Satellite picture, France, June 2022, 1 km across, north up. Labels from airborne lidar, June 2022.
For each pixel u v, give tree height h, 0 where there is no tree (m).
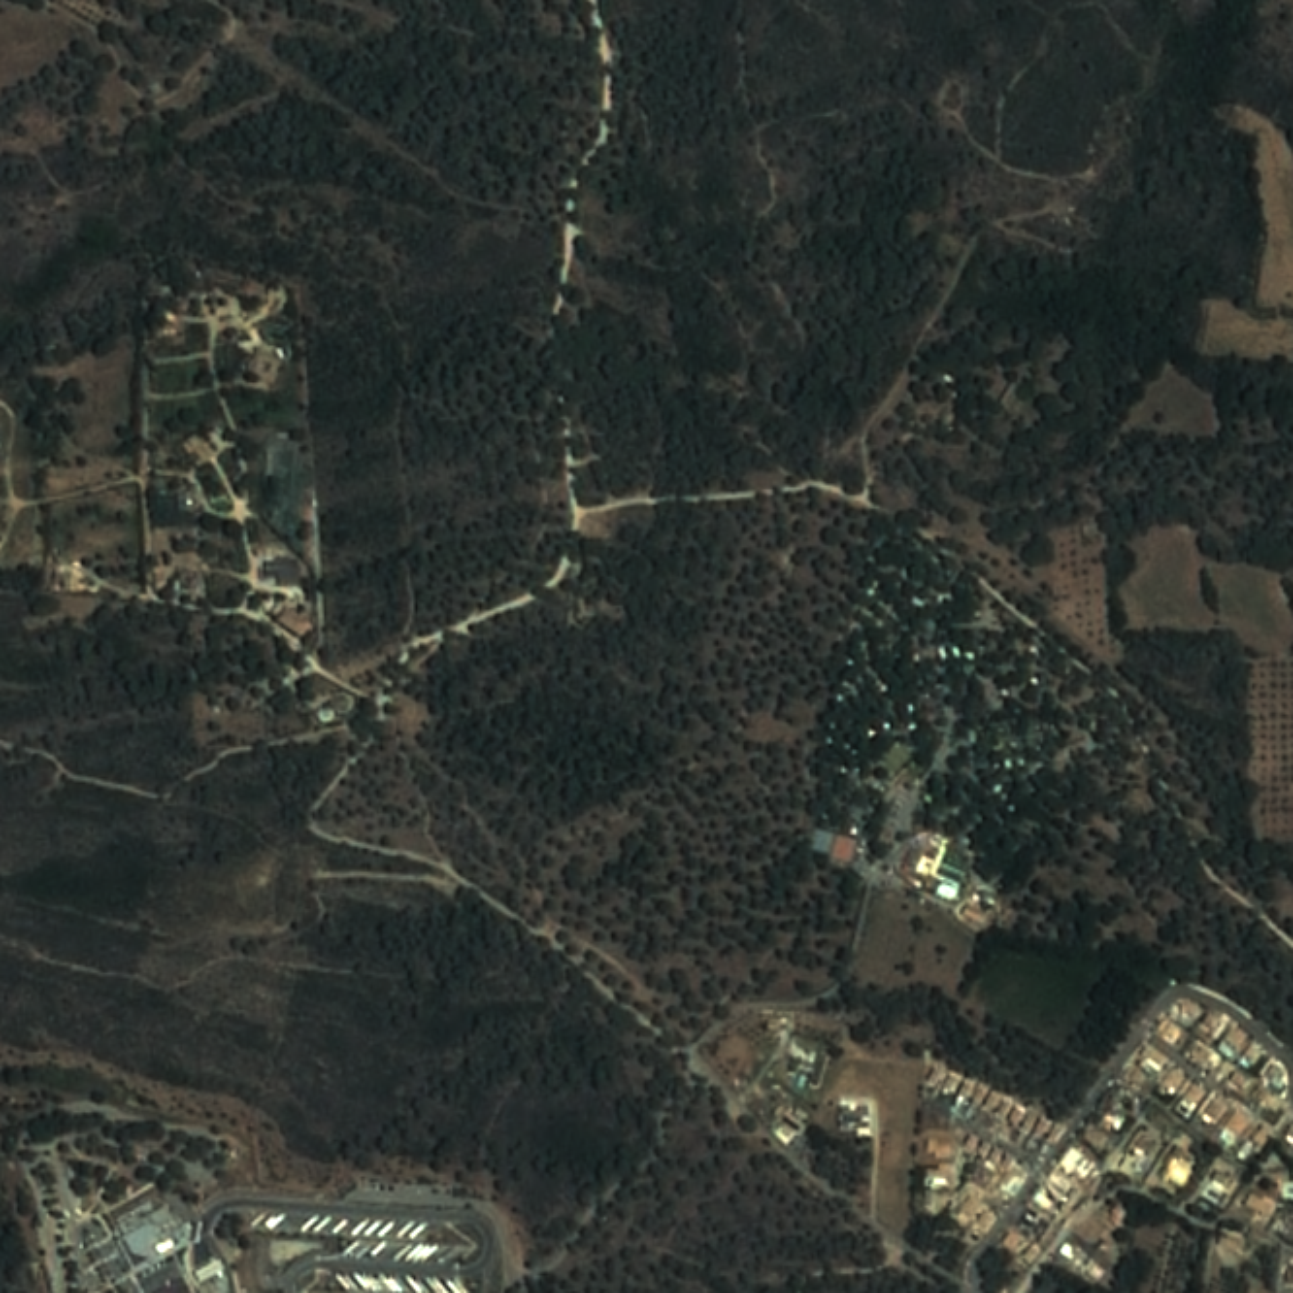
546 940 9
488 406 12
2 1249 11
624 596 10
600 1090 12
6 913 0
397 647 0
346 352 6
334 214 7
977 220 8
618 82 12
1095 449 13
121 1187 12
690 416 12
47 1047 0
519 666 14
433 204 9
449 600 8
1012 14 9
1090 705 10
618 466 8
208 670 12
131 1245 0
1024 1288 0
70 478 0
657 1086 10
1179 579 0
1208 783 11
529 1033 10
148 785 0
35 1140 10
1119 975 11
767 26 0
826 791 10
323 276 7
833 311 11
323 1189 0
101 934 0
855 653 11
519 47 10
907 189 12
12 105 10
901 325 11
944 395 13
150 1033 0
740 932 13
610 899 8
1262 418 14
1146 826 12
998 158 0
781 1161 9
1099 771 14
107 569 12
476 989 10
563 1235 11
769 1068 0
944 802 12
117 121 0
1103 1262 0
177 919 0
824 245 10
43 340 13
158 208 0
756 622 13
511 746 15
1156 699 10
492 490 9
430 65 13
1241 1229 7
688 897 12
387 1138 11
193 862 9
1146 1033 0
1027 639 9
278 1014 0
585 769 15
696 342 6
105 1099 9
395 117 14
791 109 10
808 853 13
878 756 14
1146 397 10
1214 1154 10
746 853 11
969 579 10
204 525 10
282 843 0
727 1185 0
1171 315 11
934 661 7
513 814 10
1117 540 12
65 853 0
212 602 9
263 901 0
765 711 16
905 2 0
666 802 11
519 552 11
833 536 12
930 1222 10
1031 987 0
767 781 8
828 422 14
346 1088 0
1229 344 0
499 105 12
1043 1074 10
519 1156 8
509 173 10
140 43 10
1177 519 10
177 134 10
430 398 11
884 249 11
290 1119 0
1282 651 0
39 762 8
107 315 12
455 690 14
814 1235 7
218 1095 0
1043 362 11
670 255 12
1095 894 15
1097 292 14
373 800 8
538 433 10
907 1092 0
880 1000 14
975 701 10
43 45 0
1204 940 16
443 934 12
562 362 12
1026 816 14
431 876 0
